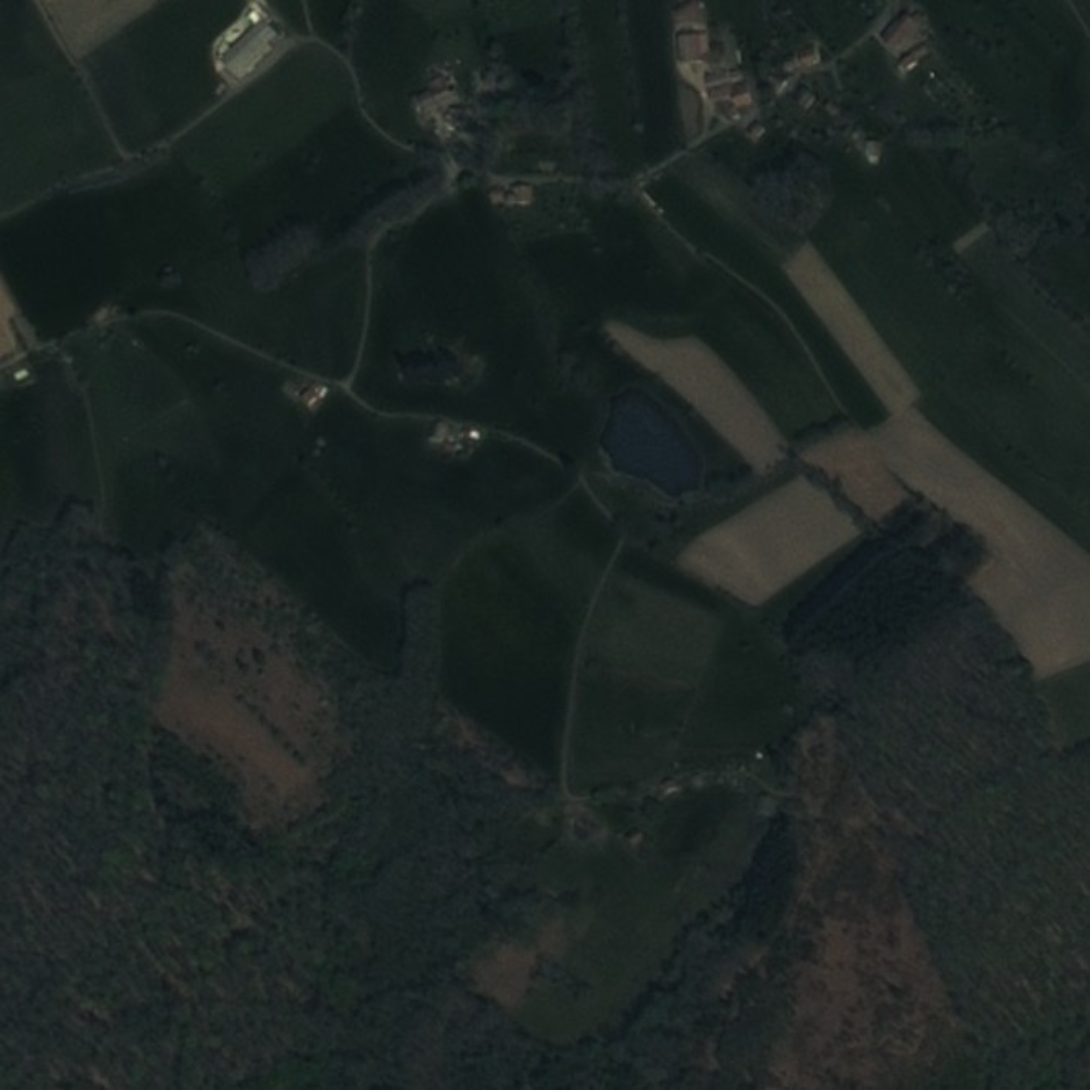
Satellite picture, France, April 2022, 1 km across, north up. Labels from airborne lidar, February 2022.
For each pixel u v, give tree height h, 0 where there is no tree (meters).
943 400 0
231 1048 30
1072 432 0
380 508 0
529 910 25
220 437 0
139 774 28
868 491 0
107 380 0
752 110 0
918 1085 8
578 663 0
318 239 24
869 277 0
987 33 0
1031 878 22
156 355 0
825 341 0
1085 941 28
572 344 0
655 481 0
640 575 0
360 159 0
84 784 28
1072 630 0
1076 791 23
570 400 0
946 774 27
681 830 0
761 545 0
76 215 0
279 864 25
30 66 0
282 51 0
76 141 0
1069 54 0
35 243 0
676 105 0
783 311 0
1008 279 0
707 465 0
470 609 0
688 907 0
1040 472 0
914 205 0
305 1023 31
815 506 0
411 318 0
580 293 0
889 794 26
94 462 0
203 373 0
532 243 0
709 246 0
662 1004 21
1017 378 0
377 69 0
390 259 0
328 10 0
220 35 0
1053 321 0
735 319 0
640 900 0
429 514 0
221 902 29
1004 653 26
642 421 0
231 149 0
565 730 0
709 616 0
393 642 0
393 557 0
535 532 0
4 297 0
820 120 0
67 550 26
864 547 0
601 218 0
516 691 0
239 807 16
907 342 0
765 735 0
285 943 31
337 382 0
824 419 0
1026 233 20
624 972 0
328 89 0
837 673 34
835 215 0
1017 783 25
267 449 0
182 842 30
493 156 27
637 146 0
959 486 0
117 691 33
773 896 32
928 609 36
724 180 0
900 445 0
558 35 0
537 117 24
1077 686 0
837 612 34
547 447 0
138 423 0
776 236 0
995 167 0
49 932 26
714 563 0
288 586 0
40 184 0
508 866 16
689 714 0
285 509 0
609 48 0
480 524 0
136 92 0
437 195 23
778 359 0
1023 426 0
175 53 0
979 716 27
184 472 0
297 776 0
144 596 33
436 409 0
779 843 20
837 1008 0
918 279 0
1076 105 0
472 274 0
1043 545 0
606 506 0
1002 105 0
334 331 0
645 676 0
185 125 0
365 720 16
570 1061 10
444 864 11
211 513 0
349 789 12
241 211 0
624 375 0
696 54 0
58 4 0
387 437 0
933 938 24
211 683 0
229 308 0
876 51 0
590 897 0
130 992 31
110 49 0
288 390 0
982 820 26
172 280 12
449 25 0
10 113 0
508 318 0
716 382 0
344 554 0
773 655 0
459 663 0
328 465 0
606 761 0
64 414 0
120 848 30
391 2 0
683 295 0
